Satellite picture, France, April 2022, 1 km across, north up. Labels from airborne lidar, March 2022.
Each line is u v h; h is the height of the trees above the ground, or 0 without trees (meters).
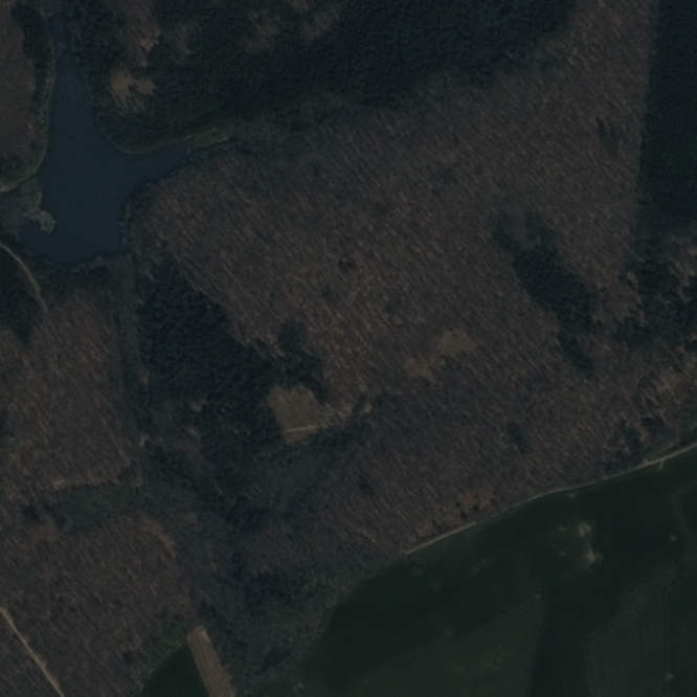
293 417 0
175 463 14
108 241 0
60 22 0
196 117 28
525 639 0
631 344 19
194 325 27
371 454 31
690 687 0
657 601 0
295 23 23
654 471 0
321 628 18
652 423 17
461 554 0
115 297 21
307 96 24
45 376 26
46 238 0
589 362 26
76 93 0
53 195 0
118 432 23
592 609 0
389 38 21
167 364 15
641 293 7
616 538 0
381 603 0
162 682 0
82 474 23
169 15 19
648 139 17
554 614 0
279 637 21
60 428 25
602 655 0
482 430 23
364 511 26
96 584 25
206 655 0
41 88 19
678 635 0
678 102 20
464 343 0
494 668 0
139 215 24
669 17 28
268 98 27
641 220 20
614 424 25
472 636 0
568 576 0
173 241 25
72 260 0
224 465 24
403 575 0
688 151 21
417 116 27
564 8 23
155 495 19
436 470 22
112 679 30
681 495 0
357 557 30
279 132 20
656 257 22
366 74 24
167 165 0
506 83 23
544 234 19
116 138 20
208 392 15
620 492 0
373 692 0
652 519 0
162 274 30
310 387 32
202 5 23
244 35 21
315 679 0
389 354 30
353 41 29
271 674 18
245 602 28
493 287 23
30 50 21
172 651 23
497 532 0
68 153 0
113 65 22
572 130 24
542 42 21
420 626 0
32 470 25
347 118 27
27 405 24
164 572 26
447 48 25
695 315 16
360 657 0
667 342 27
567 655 0
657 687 0
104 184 0
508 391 23
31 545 27
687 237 14
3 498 25
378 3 23
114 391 20
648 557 0
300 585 26
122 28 15
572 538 0
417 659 0
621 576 0
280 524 28
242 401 6
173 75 27
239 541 23
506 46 24
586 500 0
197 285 23
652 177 12
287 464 19
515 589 0
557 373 22
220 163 24
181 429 22
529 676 0
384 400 26
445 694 0
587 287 17
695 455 0
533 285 25
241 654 27
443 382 27
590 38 24
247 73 27
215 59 25
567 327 23
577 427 24
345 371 26
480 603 0
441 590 0
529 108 23
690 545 0
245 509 23
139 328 19
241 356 22
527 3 28
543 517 0
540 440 26
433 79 28
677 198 18
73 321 23
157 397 22
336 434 26
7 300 22
